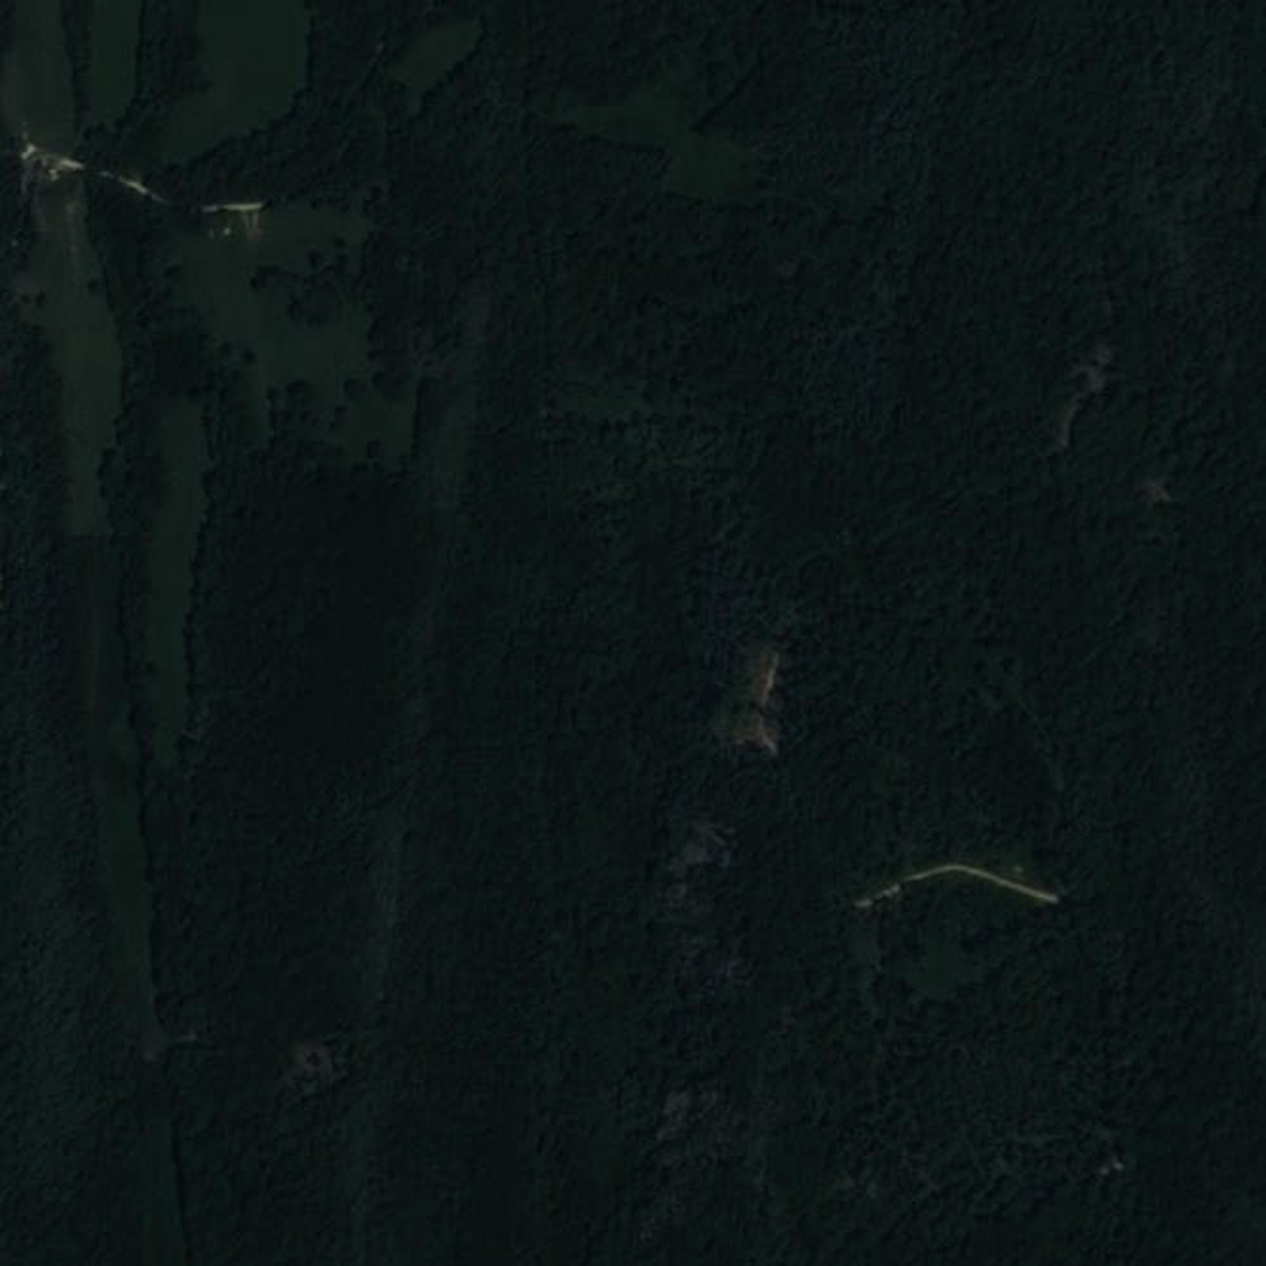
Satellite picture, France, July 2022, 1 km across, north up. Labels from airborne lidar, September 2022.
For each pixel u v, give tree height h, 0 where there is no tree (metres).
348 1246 12
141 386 19
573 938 8
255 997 21
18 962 11
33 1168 6
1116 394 18
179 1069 19
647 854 8
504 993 15
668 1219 14
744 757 12
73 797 7
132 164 11
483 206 16
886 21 23
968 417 17
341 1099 16
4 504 17
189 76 14
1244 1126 17
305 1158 13
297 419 19
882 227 22
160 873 19
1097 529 19
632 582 18
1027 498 25
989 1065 15
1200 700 14
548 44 23
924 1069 19
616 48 23
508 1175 25
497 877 16
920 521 19
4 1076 16
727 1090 25
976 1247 23
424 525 10
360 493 20
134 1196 18
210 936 22
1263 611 15
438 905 23
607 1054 7
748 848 25
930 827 18
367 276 11
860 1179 30
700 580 16
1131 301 18
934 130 26
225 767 15
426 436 16
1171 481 18
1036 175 23
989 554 22
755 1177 21
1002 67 19
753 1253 26
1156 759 17
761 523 15
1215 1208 16
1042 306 17
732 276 18
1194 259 10
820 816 20
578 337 17
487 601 22
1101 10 22
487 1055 17
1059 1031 13
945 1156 11
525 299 20
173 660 0
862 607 11
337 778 13
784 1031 27
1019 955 30
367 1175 17
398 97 18
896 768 5
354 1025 15
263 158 16
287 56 0
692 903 32
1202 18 12
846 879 18
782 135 27
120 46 0
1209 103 6
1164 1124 25
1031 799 11
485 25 10
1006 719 8
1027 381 14
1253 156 13
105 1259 18
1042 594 12
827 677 22
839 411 24
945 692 28
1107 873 15
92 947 12
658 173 15
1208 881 8
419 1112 12
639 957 29
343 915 13
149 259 19
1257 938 6
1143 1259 22
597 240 20
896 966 16
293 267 0
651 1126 13
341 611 18
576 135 18
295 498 21
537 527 17
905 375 25
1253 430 17
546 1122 24
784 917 21
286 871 14
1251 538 19
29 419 12
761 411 26
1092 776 14
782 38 22
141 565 22
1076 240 25
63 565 15
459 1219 16
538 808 20
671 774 20
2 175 6
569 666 17
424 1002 18
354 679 19
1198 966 16
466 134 16
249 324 0
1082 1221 21
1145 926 19
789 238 29
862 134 29
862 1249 7
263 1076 18
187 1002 21
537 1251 10
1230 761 18
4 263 6
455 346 8
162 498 22
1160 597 12
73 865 10
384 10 14
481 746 15
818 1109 13
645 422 19
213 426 19
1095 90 19
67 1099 6
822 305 19
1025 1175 6
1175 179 10
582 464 21
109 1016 12
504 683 19
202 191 13
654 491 19
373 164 19
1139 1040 22
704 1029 26
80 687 14
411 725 9
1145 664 19
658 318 15
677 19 22
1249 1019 12
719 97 24
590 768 22
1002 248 14
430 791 21
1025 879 0
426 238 17
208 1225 23
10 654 22
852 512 21
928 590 24
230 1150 18
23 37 0
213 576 19
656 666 25
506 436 24
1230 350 9
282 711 19
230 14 0
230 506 18
